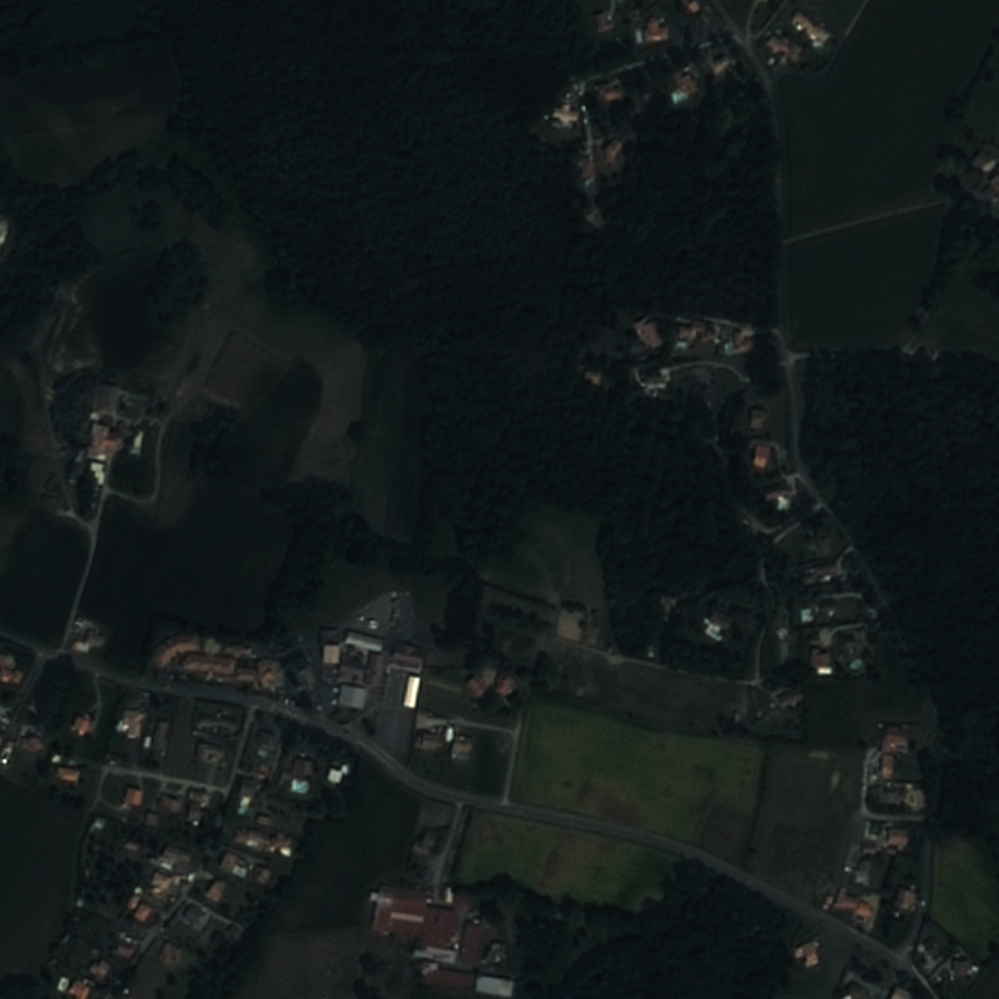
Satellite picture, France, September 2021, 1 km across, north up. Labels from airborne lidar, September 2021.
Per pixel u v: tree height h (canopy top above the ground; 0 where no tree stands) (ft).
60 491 0
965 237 108
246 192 73
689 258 60
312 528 90
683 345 0
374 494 0
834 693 0
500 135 43
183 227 0
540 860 0
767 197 55
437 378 66
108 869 23
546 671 31
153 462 0
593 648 0
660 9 0
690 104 0
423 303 36
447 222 56
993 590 78
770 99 35
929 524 70
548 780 0
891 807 28
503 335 49
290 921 0
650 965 71
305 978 0
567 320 50
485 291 45
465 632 75
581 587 0
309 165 58
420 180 46
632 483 78
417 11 34
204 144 41
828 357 42
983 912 0
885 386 74
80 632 0
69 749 21
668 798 0
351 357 0
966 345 0
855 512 79
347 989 0
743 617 35
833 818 0
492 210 49
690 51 53
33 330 0
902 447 86
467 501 79
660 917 73
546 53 64
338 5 60
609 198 42
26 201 62
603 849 0
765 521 28
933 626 72
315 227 54
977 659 69
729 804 0
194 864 0
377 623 0
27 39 23
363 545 99
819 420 85
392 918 0
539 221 48
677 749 0
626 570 57
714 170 76
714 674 54
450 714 0
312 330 0
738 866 0
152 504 0
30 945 0
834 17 0
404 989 0
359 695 0
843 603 0
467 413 79
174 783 0
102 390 0
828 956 0
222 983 30
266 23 60
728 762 0
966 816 74
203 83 62
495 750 0
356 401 0
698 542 73
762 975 57
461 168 51
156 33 30
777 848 0
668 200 84
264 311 0
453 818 0
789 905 0
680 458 91
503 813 0
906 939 0
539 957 52
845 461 94
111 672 0
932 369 74
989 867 0
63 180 0
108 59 61
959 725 72
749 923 27
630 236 100
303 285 67
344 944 0
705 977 57
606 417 61
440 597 0
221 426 54
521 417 71
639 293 52
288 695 0
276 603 67
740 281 53
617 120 45
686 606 23
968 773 70
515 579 0
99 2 19
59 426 42
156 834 20
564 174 46
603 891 0
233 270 0
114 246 0
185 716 0
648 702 0
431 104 50
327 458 0
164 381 0
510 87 58
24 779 24
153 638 46
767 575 28
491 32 47
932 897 0
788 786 0
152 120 0
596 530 0
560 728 0
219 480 45
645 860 0
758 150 77
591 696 0
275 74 56
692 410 37
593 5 0
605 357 23
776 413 0
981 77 19
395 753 0
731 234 70
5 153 50
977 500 67
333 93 59
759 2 0
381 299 46
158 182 56
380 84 60
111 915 0
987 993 0
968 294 0
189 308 62
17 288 27
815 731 0
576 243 63
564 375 39
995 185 0
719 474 50
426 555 41
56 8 19
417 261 36
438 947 0
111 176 48
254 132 56
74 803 30
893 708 0
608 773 0
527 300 57
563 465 73
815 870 0
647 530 71
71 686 73
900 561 47
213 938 24
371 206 51
